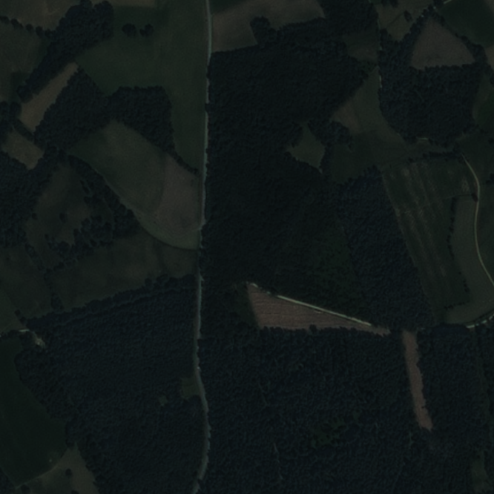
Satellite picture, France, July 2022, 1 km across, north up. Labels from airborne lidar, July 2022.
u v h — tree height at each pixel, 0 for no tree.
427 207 0
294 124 12
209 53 0
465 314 0
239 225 16
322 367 12
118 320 23
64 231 0
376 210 25
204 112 0
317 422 26
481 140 0
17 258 0
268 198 28
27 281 0
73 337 27
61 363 25
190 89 0
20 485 0
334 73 20
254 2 0
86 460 17
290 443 24
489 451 19
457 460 11
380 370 20
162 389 24
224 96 22
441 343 29
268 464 32
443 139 23
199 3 0
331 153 24
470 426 26
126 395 28
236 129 26
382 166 0
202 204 0
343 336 16
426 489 21
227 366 30
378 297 28
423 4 0
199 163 0
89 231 20
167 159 0
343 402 31
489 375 18
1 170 31
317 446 7
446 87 14
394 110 16
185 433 25
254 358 29
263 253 21
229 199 23
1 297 0
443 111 16
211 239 22
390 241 19
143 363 25
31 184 29
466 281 6
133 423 25
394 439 35
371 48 0
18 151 0
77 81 19
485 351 26
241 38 0
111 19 20
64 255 26
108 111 22
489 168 0
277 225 25
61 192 0
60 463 0
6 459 0
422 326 19
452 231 16
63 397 17
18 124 21
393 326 19
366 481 32
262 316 0
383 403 25
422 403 0
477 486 0
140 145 0
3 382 0
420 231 0
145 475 26
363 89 0
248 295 0
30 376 22
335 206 8
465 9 0
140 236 0
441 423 17
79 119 21
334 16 18
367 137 0
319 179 25
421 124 17
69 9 0
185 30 0
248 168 21
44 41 0
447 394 24
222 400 30
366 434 34
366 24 17
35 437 0
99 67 0
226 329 21
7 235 27
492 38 0
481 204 0
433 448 18
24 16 0
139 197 0
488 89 0
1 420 0
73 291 0
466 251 0
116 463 27
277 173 28
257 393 24
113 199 22
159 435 25
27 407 0
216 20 0
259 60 24
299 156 0
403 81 21
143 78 0
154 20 0
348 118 0
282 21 0
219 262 21
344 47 24
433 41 0
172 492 23
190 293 22
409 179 0
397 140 0
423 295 29
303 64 18
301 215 14
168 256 0
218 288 19
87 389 24
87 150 0
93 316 27
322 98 17
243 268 21
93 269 0
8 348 0
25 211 23
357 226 20
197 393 0
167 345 24
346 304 6
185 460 22
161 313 26
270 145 25
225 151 17
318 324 0
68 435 18
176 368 25
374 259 24
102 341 28
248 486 38
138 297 15
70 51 25
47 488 0
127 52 0
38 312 0
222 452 29
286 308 0
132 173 0
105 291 0
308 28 20
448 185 0
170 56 0
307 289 6
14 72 0
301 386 32
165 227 0
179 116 0
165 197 0
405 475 23
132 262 0
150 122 19
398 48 10
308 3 0
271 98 22
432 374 14
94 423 33
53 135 21
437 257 0
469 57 0
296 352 32
